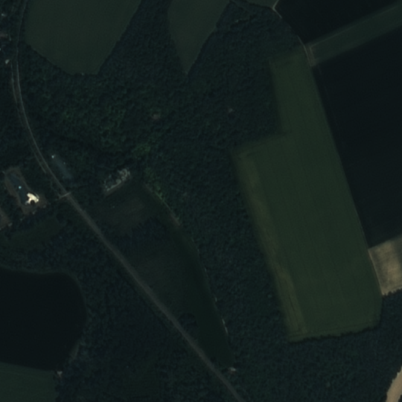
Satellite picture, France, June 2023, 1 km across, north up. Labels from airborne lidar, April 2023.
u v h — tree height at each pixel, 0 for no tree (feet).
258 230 0
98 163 63
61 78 62
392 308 59
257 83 63
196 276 0
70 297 0
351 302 0
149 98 35
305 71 0
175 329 21
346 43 0
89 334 72
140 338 110
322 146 0
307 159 0
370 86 0
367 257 0
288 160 0
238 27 45
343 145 0
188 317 55
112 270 119
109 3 0
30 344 0
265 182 0
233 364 0
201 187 53
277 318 42
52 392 0
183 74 63
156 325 121
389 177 0
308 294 0
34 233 0
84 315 0
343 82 0
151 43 58
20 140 41
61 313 0
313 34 0
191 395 52
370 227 0
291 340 0
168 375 81
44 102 75
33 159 39
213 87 43
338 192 0
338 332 0
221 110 59
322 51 0
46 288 0
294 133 0
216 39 48
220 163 59
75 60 0
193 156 25
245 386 26
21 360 0
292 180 0
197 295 0
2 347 0
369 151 0
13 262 49
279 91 0
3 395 0
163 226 32
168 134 29
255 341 29
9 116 53
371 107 0
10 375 0
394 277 0
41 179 39
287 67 0
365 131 0
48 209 21
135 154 76
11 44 48
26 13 17
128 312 127
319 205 0
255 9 34
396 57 0
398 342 59
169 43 53
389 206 0
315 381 46
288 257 0
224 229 46
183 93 41
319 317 0
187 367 25
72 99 80
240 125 69
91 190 26
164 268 0
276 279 0
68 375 66
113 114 60
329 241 0
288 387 29
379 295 0
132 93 46
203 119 40
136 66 52
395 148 0
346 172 0
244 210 59
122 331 134
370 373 50
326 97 0
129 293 116
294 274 0
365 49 0
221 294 73
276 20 52
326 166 0
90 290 115
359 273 0
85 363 100
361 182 0
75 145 32
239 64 56
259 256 55
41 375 0
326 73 0
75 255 117
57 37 0
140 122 68
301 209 0
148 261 0
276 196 0
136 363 126
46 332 0
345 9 0
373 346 55
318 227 0
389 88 0
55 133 21
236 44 55
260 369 18
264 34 46
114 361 138
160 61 51
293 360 27
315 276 0
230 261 37
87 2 0
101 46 0
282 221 0
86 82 42
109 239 25
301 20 0
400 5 0
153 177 47
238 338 40
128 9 0
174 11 0
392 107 0
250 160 0
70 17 0
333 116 0
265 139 0
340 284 0
